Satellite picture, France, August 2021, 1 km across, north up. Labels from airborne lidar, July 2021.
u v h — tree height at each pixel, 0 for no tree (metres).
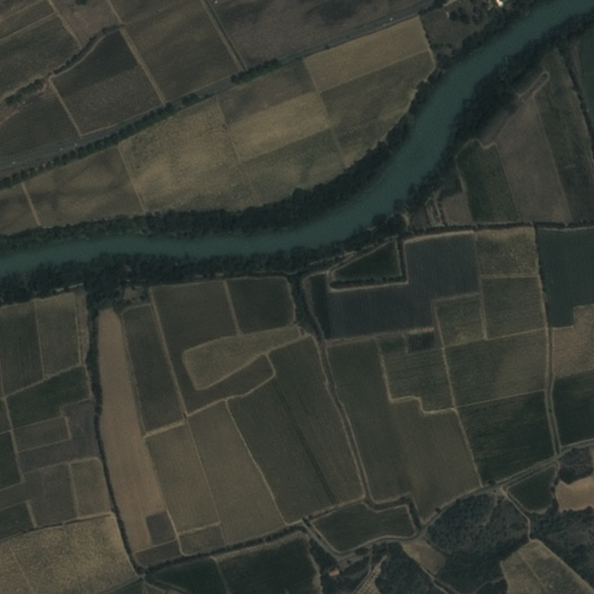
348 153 0
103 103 0
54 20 0
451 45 10
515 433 0
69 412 0
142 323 0
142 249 0
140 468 0
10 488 0
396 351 0
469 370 0
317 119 0
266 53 0
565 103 0
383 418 0
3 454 0
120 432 0
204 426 0
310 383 0
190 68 0
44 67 0
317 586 0
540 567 0
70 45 0
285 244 0
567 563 8
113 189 0
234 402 0
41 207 0
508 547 8
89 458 0
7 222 0
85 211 0
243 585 0
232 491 0
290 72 0
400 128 15
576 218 0
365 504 0
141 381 0
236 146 0
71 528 0
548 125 0
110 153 0
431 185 16
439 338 0
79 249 0
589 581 7
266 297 0
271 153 0
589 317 0
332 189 13
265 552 0
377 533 0
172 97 0
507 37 0
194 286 0
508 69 17
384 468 0
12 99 10
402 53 0
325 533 0
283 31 0
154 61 0
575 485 0
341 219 0
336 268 0
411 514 6
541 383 0
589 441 0
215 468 0
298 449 0
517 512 9
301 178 0
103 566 0
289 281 9
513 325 0
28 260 0
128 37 0
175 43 0
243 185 0
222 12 0
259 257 13
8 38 0
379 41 0
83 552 0
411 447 0
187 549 0
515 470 0
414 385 0
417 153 0
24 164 0
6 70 0
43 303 0
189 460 0
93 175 0
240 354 0
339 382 0
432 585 8
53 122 0
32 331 0
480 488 0
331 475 0
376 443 0
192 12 0
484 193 0
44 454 0
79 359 0
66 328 0
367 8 0
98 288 12
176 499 0
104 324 0
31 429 0
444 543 10
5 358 0
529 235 0
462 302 0
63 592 0
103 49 0
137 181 0
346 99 0
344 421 0
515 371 0
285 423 0
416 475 0
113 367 0
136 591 0
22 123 0
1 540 0
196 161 0
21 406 0
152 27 0
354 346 0
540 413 0
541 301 0
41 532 0
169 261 19
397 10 0
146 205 0
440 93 0
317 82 0
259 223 13
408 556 6
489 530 8
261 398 0
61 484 0
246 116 0
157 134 0
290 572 0
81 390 0
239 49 0
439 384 0
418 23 0
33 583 0
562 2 0
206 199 0
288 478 0
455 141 7
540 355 0
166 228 19
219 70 0
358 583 6
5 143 0
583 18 9
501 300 0
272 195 0
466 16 13
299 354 0
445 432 0
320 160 0
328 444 0
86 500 0
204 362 0
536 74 0
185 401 0
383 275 0
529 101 0
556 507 7
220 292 0
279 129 0
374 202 0
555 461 0
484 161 0
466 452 0
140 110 0
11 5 0
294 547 0
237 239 0
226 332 0
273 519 0
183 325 0
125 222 24
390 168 0
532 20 0
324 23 0
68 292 9
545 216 0
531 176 0
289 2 0
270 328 0
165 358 0
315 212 16
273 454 0
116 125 0
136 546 0
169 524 0
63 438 0
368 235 14
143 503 0
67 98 0
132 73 0
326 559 8
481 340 0
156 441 0
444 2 11
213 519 0
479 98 16
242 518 0
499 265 0
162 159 0
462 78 0
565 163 0
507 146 0
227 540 0
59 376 0
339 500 0
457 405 0
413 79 0
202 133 0
